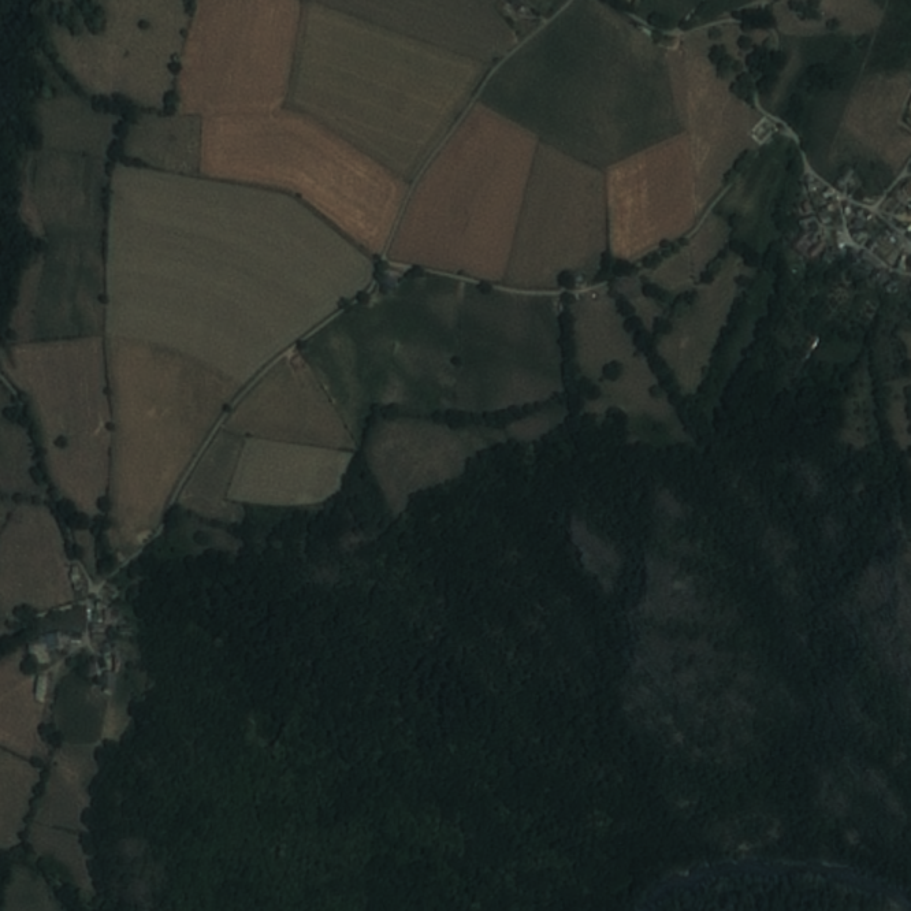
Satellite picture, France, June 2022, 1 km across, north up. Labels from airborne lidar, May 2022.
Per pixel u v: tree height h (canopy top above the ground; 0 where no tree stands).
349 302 14
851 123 0
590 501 13
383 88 0
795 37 0
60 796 0
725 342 15
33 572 0
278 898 11
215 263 0
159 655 8
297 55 0
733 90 12
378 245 0
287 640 20
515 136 0
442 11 0
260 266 0
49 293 0
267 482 0
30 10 20
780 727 12
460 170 0
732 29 0
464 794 22
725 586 13
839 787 6
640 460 17
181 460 0
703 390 15
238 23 0
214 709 9
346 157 0
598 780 16
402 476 0
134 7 0
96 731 0
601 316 0
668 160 0
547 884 18
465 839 18
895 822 10
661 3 0
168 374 0
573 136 0
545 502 11
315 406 0
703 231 0
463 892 8
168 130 0
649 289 14
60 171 0
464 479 9
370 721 24
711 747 12
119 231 0
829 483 8
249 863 13
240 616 21
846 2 0
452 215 0
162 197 0
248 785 17
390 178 0
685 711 7
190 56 0
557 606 11
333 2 0
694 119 0
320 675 26
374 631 17
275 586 22
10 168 16
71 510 17
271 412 0
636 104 0
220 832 15
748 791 17
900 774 10
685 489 17
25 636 15
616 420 20
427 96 0
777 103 0
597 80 0
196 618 24
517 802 19
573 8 0
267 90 0
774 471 24
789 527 14
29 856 16
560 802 22
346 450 7
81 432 0
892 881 18
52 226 0
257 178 0
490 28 0
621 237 0
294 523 12
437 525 16
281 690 29
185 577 16
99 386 0
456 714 28
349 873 16
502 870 21
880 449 11
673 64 0
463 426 17
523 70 0
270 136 0
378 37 0
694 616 6
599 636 19
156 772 7
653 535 9
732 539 19
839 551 7
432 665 29
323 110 0
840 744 14
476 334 0
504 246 0
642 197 0
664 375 19
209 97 0
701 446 14
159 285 0
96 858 8
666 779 8
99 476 0
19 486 0
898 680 7
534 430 0
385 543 16
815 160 0
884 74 0
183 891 14
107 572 12
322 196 0
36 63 8
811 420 23
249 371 0
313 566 7
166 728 10
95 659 9
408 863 13
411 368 0
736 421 16
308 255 0
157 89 0
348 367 0
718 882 19
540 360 0
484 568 18
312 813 15
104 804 10
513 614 13
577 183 0
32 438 13
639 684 7
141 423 0
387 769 22
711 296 0
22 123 15
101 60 0
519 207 0
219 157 0
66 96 0
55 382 0
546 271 0
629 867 17
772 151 13
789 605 8
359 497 6
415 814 21
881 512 22
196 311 0
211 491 0
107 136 0
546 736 22
